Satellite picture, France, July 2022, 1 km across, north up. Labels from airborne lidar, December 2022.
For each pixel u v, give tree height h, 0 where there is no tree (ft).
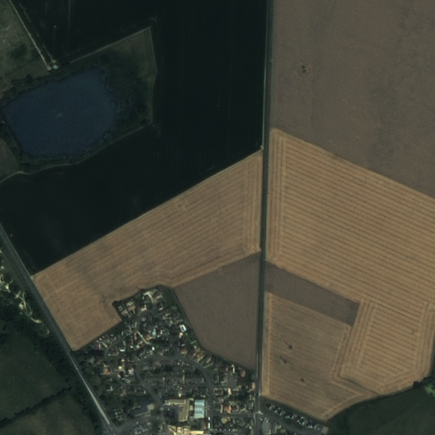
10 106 0
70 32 0
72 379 23
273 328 0
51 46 0
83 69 0
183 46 0
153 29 0
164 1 0
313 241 0
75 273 0
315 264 0
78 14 0
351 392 0
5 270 0
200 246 0
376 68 0
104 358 45
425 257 0
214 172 0
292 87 0
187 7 0
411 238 0
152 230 0
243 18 0
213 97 0
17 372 0
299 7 0
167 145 0
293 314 0
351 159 0
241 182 0
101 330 0
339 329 0
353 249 0
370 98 0
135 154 0
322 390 0
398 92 0
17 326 20
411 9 0
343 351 0
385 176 0
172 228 0
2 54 0
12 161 0
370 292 0
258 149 0
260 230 0
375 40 0
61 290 0
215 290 0
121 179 0
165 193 0
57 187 0
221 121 0
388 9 0
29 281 0
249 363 0
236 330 0
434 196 0
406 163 0
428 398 0
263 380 0
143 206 0
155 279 0
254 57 0
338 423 0
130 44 0
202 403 0
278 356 0
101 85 0
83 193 0
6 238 0
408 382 0
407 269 0
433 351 0
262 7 0
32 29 0
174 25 0
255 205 0
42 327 0
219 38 0
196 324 0
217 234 0
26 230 0
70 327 0
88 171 0
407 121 0
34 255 0
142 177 0
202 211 0
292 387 0
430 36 0
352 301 0
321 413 0
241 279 0
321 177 0
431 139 0
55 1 0
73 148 0
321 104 0
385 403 0
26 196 0
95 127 0
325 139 0
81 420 0
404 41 0
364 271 0
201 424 0
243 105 0
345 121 0
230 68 0
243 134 0
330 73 0
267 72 0
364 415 0
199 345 0
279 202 0
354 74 0
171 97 0
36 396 0
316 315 0
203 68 0
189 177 0
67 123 0
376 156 0
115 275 0
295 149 0
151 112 0
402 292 0
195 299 0
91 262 0
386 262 0
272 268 0
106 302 0
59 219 0
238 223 0
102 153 0
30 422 0
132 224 0
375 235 0
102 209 0
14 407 0
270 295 0
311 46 0
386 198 0
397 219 0
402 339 0
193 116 0
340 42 0
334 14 0
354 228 0
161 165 0
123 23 0
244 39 0
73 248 0
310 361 0
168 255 0
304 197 0
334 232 0
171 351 35
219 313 0
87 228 0
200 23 0
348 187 0
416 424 0
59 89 0
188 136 0
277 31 0
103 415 0
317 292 0
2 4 0
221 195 0
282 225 0
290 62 0
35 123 0
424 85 0
